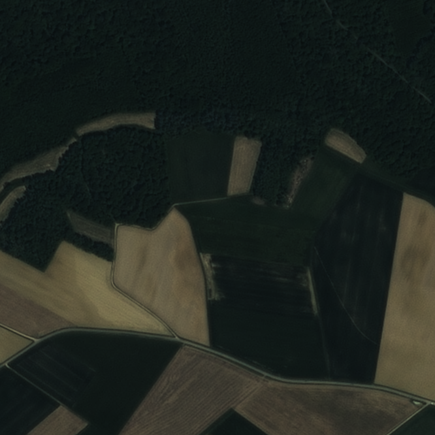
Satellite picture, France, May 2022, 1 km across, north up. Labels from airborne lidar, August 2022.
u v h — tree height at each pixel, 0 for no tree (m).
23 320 0
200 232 0
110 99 17
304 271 0
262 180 23
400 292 0
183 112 27
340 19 22
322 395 0
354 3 22
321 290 0
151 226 15
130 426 0
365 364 0
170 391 0
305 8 26
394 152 22
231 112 33
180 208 0
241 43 16
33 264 14
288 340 0
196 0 16
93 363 0
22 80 6
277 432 0
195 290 0
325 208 0
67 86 8
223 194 0
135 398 0
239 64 13
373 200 0
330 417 0
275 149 23
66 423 0
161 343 0
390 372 0
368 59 21
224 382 0
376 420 0
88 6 23
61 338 0
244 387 0
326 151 0
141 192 19
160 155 11
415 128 15
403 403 0
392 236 0
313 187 0
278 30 14
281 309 0
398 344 0
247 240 0
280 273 0
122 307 0
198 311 0
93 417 0
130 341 0
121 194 19
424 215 0
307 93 21
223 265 0
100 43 8
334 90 18
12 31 22
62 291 0
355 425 0
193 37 13
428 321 0
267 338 0
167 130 20
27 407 0
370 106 22
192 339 0
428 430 0
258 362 0
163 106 22
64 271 0
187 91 22
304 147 13
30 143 14
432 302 0
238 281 0
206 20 15
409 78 19
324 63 25
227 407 0
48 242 22
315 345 0
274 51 16
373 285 0
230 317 0
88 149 17
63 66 8
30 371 0
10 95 8
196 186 0
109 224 18
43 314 0
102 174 22
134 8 24
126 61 14
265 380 0
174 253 0
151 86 18
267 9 16
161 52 23
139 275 0
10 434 0
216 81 17
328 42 16
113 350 0
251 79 16
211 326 0
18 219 24
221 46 13
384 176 0
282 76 18
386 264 0
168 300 0
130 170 18
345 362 0
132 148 18
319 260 0
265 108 19
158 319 0
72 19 24
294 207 0
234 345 0
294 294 0
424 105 21
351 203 0
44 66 25
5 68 16
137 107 9
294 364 0
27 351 0
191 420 0
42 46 21
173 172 0
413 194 0
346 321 0
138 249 0
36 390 0
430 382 0
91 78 9
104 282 0
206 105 14
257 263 0
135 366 0
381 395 0
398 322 0
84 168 22
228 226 0
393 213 0
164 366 0
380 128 18
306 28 23
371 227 0
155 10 22
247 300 0
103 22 25
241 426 0
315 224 0
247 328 0
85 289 0
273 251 0
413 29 6
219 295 0
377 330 0
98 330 0
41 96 12
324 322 0
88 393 0
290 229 0
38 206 23
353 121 23
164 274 0
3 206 0
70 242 20
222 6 16
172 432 0
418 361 0
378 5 12
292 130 29
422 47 26
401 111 22
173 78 22
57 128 14
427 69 17
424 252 0
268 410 0
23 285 0
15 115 15
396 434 0
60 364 0
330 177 0
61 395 0
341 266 0
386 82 22
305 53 21
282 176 26
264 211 0
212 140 0
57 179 20
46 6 23
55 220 18
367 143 18
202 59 16
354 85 21
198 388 0
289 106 23
